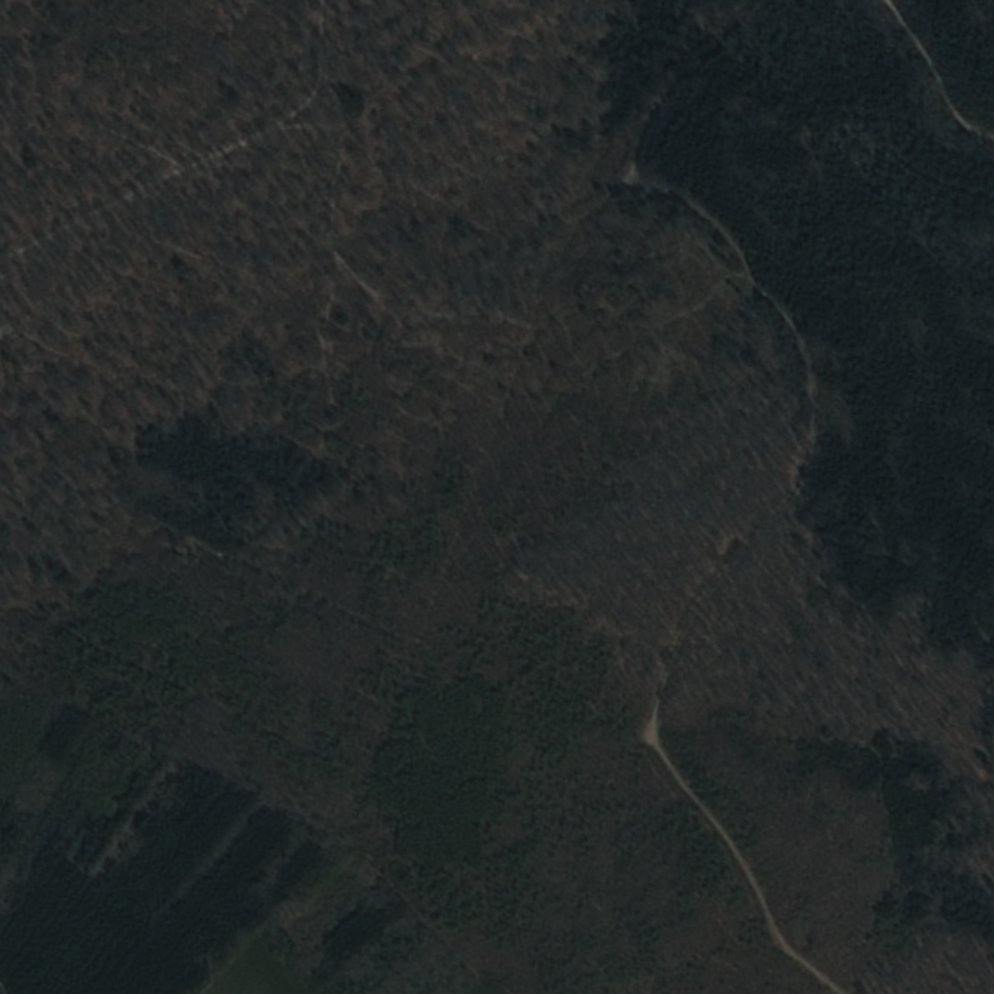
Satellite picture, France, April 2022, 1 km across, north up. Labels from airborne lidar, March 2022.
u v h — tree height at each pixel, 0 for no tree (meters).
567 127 27
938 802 7
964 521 26
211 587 12
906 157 35
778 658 29
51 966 19
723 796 9
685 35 37
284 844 17
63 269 28
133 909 16
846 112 35
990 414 28
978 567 26
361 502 18
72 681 13
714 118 17
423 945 14
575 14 29
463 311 9
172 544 14
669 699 20
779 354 31
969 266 30
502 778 16
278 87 25
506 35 0
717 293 0
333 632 13
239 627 13
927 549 25
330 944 14
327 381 9
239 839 22
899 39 19
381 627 12
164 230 26
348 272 28
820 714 25
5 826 17
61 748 23
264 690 13
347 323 12
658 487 25
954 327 25
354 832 8
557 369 11
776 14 29
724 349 20
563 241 0
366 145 0
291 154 27
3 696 25
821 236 26
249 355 11
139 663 11
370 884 0
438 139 0
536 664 14
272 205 0
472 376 0
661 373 0
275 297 27
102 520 13
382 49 28
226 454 20
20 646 12
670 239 24
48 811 16
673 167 23
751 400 30
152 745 16
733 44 26
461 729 17
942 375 19
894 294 27
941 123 27
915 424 22
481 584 6
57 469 30
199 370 27
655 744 0
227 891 18
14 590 31
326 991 12
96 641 15
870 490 24
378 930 15
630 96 21
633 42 12
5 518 27
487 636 8
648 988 8
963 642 17
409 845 16
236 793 15
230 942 22
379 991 21
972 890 26
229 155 0
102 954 18
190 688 12
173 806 21
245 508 18
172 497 18
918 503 26
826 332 30
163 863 17
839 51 25
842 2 29
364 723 14
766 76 25
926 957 0
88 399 27
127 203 28
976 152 23
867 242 26
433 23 0
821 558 16
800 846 9
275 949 17
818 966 7
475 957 11
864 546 28
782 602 26
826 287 27
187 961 20
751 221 28
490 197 0
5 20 28
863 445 26
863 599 15
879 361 23
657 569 26
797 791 9
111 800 18
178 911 12
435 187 28
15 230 27
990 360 24
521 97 27
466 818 18
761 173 25
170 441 21
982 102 18
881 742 13
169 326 24
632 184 0
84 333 27
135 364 0
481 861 17
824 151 21
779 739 8
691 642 26
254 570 12
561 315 0
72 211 27
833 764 9
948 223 27
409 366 10
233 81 30
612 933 7
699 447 23
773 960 8
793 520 24
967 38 25
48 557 26
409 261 0
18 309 0
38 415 30
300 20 17
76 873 15
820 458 20
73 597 7
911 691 24
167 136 29
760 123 22
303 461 25
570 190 0
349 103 29
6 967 17
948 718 22
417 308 0
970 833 28
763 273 27
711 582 22
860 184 25
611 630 0
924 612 26
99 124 0
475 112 0
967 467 28
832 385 24
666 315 0
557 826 15
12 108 25
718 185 27
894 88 34
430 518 13
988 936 32
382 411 9
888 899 7
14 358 25
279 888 13
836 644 29
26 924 17
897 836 7
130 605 16
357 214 0
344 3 28
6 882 23
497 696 18
